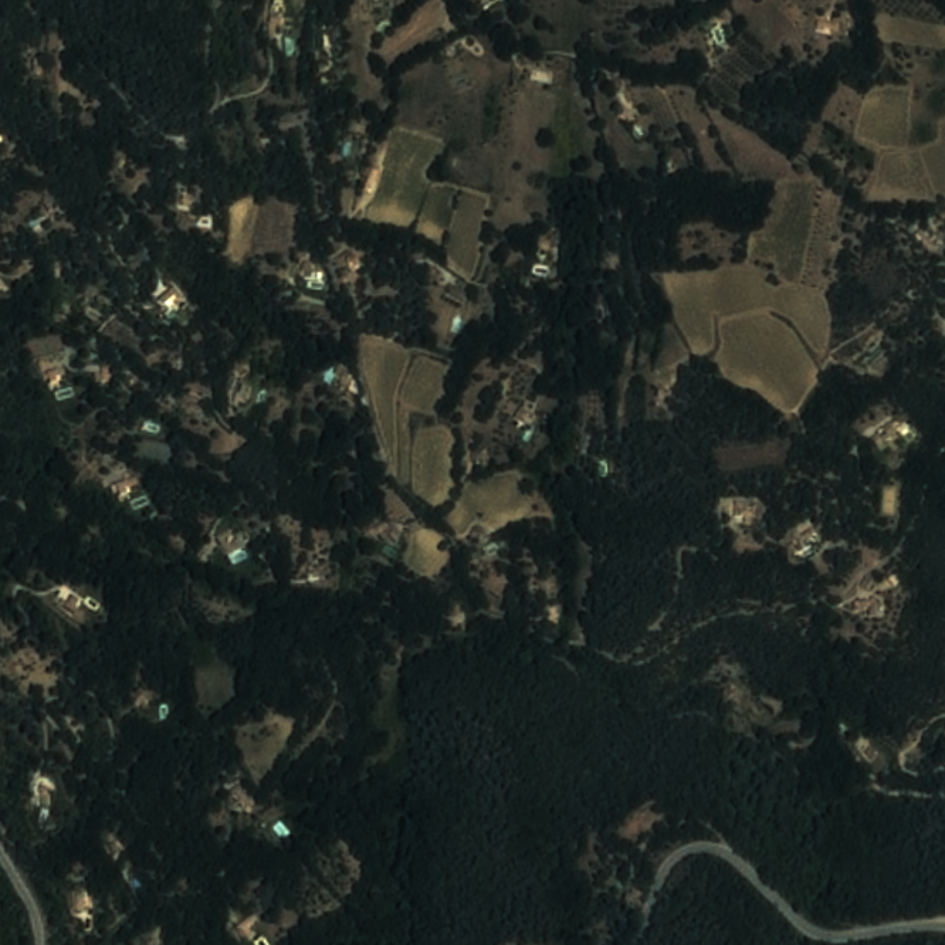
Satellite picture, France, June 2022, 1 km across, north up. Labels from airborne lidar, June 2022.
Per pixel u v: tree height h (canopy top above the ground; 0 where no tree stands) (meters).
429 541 0
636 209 10
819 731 17
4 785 12
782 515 11
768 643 13
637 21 12
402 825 8
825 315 0
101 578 14
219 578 16
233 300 14
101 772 17
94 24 14
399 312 11
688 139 13
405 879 23
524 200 0
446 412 15
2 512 16
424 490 0
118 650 15
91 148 12
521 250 14
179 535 18
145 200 12
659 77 17
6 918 10
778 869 8
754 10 0
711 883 9
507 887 15
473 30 10
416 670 20
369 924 19
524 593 7
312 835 6
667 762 8
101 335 9
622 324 15
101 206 13
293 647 11
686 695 10
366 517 14
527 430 8
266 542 9
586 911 14
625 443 8
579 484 12
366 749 20
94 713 16
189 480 20
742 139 0
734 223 14
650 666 7
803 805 21
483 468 15
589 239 13
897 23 0
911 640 8
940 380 8
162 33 10
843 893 11
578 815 10
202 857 21
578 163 17
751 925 10
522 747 13
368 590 8
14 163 7
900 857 10
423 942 20
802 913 17
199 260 13
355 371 9
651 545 7
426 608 13
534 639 11
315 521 16
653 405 6
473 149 0
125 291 12
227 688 0
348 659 18
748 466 0
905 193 0
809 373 0
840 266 8
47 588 5
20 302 11
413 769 10
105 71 12
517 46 17
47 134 14
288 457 17
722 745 14
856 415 13
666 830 12
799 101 13
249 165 12
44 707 11
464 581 9
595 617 9
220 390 12
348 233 14
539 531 6
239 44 11
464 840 7
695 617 12
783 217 0
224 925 16
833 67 10
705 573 8
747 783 8
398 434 0
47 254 10
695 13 13
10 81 15
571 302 14
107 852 13
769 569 11
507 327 16
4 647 6
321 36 6
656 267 14
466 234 0
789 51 11
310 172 6
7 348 20
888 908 9
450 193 0
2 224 13
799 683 9
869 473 13
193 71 15
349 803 19
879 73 11
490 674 11
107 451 14
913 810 9
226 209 14
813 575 10
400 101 9
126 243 10
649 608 9
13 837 14
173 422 12
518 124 0
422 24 0
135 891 7
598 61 14
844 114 7
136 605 16
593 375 15
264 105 12
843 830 17
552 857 12
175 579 17
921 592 6
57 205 11
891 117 0
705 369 12
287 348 9
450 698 13
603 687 7
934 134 0
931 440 8
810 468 8
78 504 13
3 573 9
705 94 9
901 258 11
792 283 0
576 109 0
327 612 8
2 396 9
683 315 0
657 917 11
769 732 14
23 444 6
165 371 7
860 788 17
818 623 15
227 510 16
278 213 0
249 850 20
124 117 12
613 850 11
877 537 11
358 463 16
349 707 13
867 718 9
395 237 19
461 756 19
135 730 21
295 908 13
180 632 10
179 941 16
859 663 13
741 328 0
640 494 7
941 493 10
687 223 12
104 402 16
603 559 10
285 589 11
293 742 9
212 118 7
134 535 9
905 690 8
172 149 13
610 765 11
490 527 0
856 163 9
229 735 6
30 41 14
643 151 0
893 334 8
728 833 14
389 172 0
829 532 11
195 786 15
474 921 15
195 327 6
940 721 8
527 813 10
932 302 11
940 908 10
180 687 11
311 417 14
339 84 7
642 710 8
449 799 10
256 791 12
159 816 19
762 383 0
